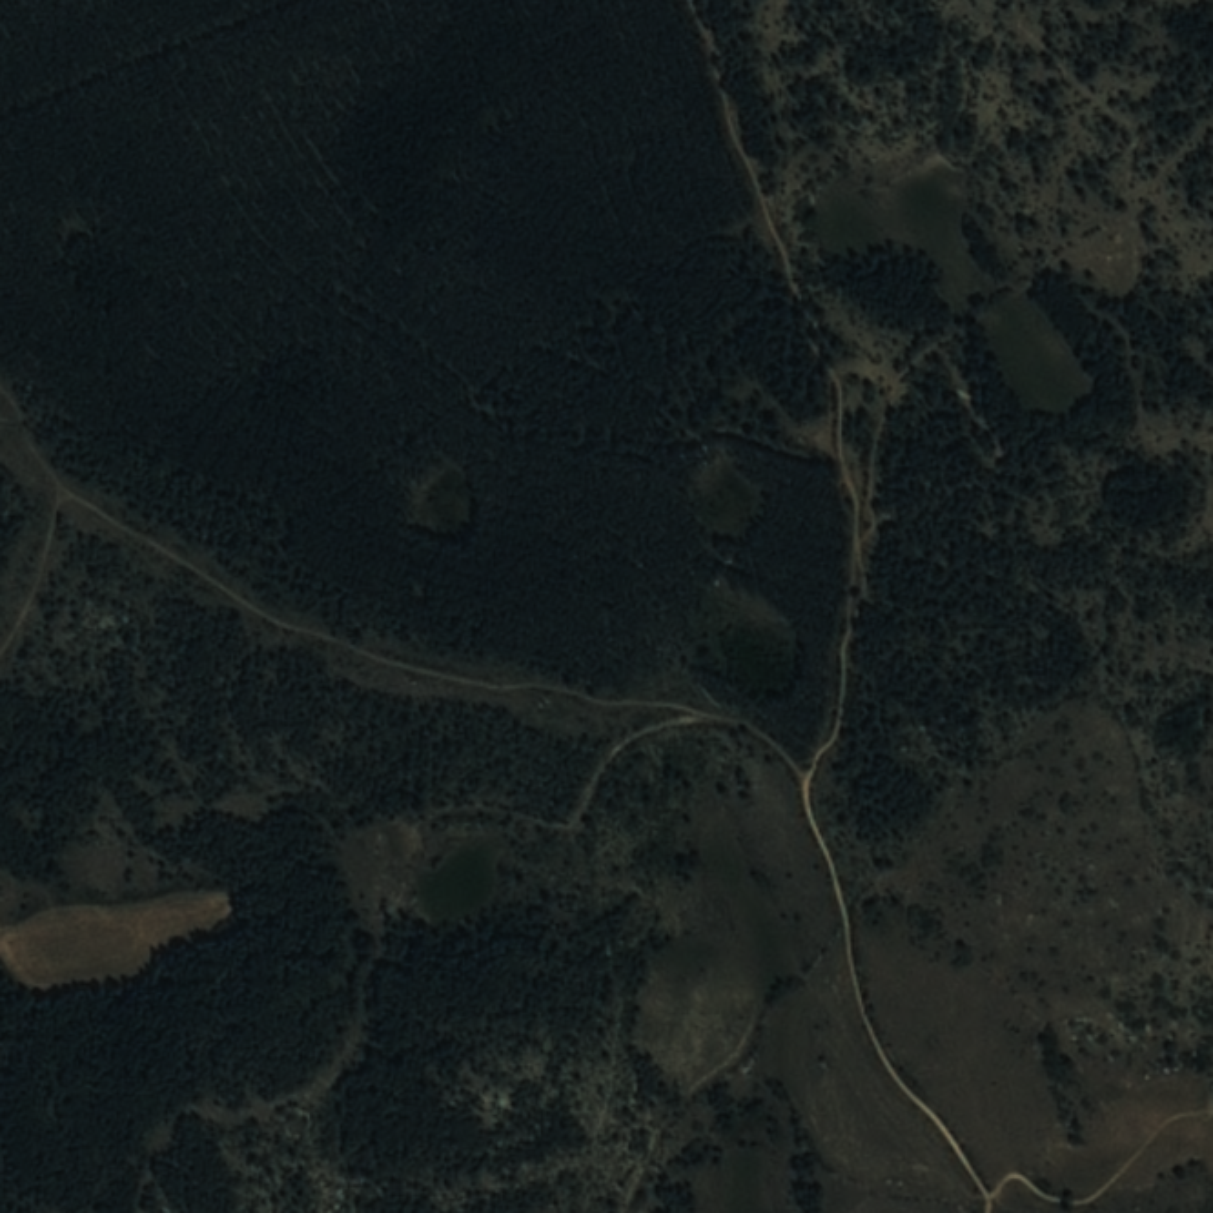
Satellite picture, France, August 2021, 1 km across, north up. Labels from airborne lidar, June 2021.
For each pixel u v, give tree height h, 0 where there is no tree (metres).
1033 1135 0
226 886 6
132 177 14
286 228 15
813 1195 11
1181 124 8
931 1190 0
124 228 16
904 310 16
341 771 9
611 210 15
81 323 16
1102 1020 0
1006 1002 0
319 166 12
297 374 18
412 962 15
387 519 16
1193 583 7
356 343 14
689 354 16
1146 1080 0
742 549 13
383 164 18
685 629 11
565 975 8
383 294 18
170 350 14
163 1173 11
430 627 15
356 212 19
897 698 11
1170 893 0
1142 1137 0
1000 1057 0
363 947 15
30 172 14
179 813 0
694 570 12
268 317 14
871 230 0
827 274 7
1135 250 0
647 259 16
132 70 13
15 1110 18
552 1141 8
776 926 0
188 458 15
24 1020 11
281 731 9
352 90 14
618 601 12
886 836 6
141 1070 9
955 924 0
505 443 14
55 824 13
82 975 0
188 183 14
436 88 18
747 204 13
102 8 13
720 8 10
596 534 15
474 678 0
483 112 16
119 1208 8
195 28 14
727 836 0
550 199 17
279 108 13
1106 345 9
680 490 14
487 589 17
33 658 6
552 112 16
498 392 14
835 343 13
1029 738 0
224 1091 6
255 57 12
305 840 11
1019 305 0
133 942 0
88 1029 14
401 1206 10
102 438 15
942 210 0
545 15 14
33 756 12
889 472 10
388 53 16
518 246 17
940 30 10
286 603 6
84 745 12
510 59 18
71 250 14
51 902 0
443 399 15
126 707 9
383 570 15
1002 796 0
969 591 8
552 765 7
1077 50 6
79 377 15
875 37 10
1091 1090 0
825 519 12
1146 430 0
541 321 14
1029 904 0
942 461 11
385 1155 12
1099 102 0
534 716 0
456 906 0
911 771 9
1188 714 7
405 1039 16
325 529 17
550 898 13
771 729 10
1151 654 0
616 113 15
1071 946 0
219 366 14
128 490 8
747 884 0
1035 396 0
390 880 0
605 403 14
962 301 0
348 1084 11
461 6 21
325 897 12
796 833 0
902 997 0
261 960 16
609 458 14
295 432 17
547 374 14
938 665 10
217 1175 12
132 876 8
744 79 9
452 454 15
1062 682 8
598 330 9
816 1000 0
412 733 6
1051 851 0
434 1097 7
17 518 8
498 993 15
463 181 13
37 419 10
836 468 14
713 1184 0
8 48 13
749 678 14
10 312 16
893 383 0
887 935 0
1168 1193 0
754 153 12
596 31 15
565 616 13
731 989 0
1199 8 8
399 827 0
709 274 18
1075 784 0
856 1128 0
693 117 12
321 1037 10
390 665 0
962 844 0
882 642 8
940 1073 0
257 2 13
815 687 15
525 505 15
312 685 8
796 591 15
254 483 14
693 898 0
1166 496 14
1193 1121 0
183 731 7
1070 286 12
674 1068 0
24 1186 12
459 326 14
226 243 14
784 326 15
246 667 11
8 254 14
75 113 16
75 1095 12
